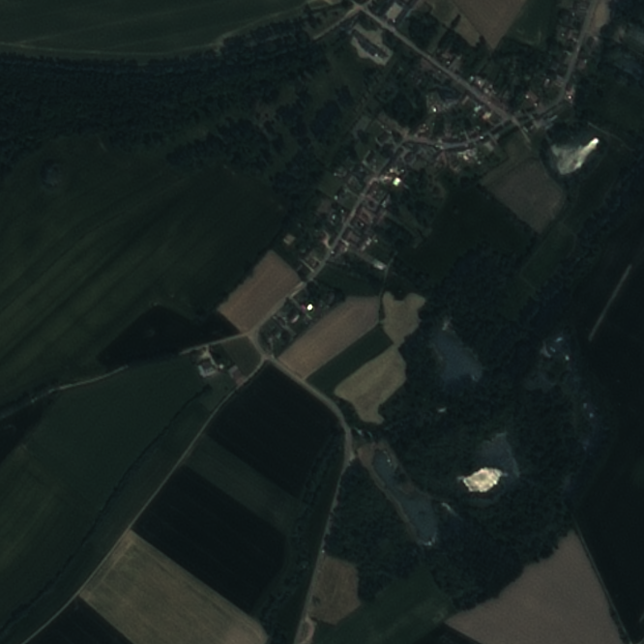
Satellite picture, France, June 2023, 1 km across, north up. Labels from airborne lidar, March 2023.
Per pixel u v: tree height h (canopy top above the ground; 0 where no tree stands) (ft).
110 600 0
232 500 0
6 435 0
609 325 0
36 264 0
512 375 107
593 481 0
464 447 27
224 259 0
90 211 0
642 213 0
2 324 0
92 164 0
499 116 0
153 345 0
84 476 0
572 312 0
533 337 105
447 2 0
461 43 38
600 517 0
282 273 0
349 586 0
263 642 0
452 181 22
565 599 0
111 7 0
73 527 0
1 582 0
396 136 27
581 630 0
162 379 0
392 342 0
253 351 0
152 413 0
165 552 0
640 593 0
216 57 75
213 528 0
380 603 0
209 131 0
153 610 0
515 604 0
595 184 0
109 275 0
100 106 45
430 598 0
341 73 0
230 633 0
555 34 20
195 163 70
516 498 29
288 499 0
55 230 0
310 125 0
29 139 39
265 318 0
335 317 0
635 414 0
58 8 0
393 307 0
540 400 48
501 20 0
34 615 0
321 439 0
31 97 51
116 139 53
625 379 0
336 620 0
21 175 0
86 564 0
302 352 0
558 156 0
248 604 0
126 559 0
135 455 0
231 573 0
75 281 0
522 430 43
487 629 0
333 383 0
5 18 0
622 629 20
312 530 0
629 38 0
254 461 0
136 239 0
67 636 0
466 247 0
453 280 48
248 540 0
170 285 0
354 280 0
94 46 0
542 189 0
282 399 0
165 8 0
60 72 53
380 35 0
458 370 0
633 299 0
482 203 0
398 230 61
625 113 0
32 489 0
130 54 0
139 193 0
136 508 0
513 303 0
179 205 0
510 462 0
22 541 0
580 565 0
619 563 0
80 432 0
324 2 0
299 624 0
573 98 0
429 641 0
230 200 0
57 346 0
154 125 63
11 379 0
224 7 0
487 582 107
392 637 0
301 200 55
